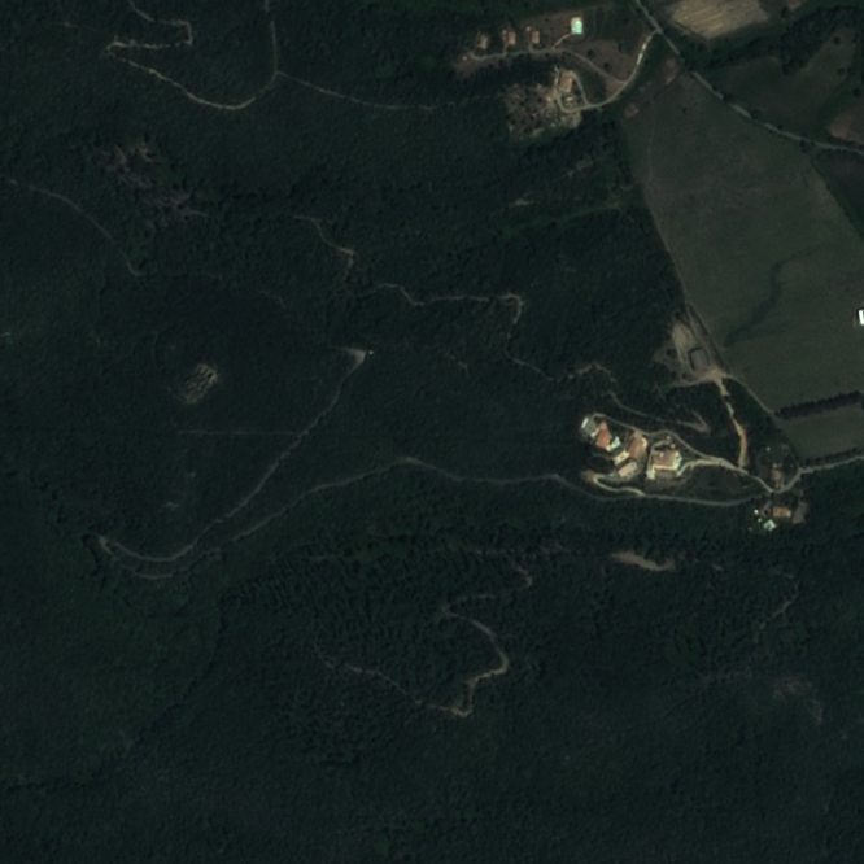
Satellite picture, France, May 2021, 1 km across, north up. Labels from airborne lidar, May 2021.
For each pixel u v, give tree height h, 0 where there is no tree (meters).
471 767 9
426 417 5
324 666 7
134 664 14
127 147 24
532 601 11
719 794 16
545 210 7
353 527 13
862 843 9
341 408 11
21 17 8
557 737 6
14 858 16
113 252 10
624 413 8
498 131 9
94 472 14
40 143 15
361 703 8
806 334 0
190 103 7
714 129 0
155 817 8
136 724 11
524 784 7
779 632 9
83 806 14
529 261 10
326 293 6
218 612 14
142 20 11
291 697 12
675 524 7
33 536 14
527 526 7
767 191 0
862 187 0
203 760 13
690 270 0
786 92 0
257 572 17
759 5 0
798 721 11
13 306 7
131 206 16
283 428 13
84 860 10
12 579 15
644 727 8
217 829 12
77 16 8
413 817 9
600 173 9
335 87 7
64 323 7
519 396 8
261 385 11
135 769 7
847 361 0
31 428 11
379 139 9
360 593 19
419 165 9
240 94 6
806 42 10
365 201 18
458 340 8
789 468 7
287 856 7
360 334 10
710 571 12
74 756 14
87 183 11
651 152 0
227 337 17
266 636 9
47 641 9
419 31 9
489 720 10
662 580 8
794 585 13
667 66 0
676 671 10
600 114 15
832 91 0
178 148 13
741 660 11
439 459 7
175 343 7
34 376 10
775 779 9
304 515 13
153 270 13
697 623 17
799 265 0
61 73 8
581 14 0
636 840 8
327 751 16
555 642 17
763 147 0
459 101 8
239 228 17
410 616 11
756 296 0
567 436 10
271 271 12
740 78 0
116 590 13
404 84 13
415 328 11
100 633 11
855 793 16
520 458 8
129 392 11
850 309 0
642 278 10
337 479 8
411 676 9
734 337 0
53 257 8
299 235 11
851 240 0
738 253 0
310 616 14
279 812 6
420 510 12
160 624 16
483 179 15
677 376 11
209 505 13
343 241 8
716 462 0
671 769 17
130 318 13
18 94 8
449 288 9
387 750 9
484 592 14
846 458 9
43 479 13
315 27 7
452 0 9
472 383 10
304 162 15
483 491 15
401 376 12
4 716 9
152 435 7
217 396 12
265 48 6
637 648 13
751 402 6
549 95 0
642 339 6
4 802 17
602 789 12
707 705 9
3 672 7
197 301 17
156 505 9
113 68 9
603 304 12
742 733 14
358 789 17
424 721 9
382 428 13
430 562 12
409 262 7
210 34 6
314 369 7
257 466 12
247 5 11
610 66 9
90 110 13
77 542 17
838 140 8
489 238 14
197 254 13
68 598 12
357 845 8
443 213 11
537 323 10
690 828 9
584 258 7
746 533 7
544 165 8
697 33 0
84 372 9
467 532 7
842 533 17
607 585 12
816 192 0
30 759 14
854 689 7
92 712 8
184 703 15
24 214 12
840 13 12
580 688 9
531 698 10
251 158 6
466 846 10
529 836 13
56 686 10
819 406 15
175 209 18
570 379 11
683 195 0
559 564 15
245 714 18
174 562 7
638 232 11
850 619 12
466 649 10
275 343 15
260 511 11
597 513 8
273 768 14
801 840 11
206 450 11
